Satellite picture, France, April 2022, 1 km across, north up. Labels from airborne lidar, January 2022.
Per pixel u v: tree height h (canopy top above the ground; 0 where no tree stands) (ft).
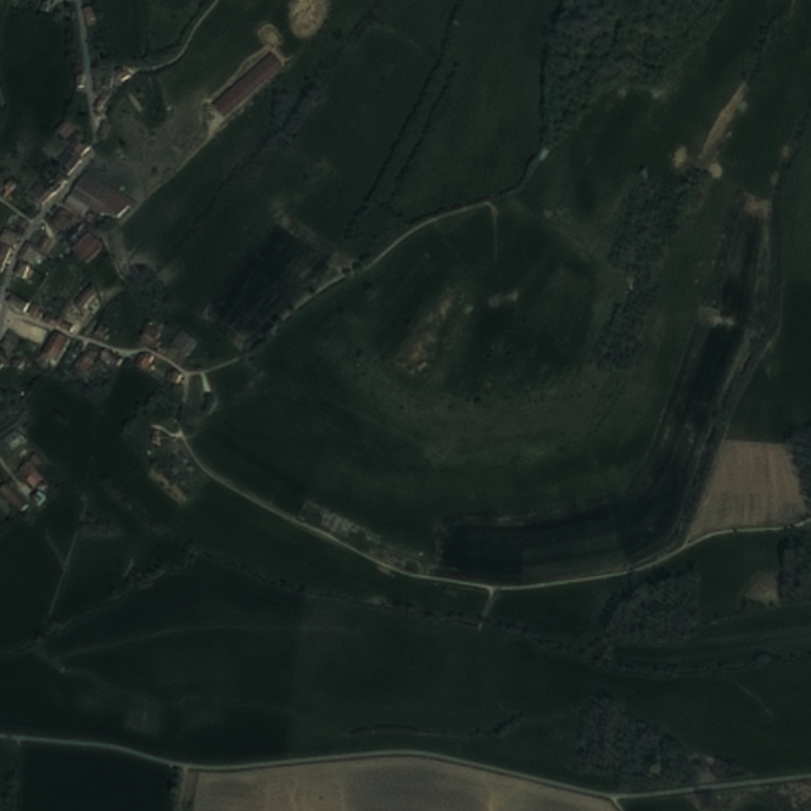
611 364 46
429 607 0
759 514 0
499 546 0
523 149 0
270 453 0
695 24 79
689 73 0
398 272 0
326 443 0
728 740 0
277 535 0
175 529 0
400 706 0
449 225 0
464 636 0
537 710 0
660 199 19
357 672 0
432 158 0
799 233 0
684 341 0
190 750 0
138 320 0
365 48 0
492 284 0
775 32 32
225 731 0
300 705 0
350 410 0
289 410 0
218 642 0
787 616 0
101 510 0
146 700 0
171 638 0
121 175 0
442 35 0
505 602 0
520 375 0
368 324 0
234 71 0
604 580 0
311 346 0
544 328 0
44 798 0
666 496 0
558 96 60
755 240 0
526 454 0
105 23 21
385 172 19
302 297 0
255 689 0
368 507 0
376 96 0
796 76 0
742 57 0
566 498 0
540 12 0
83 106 0
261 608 0
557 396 0
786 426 0
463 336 0
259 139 0
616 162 0
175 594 0
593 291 0
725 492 0
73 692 0
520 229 0
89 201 0
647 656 0
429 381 0
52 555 0
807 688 0
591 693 0
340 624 0
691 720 0
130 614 0
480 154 0
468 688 0
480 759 0
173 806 0
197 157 0
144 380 0
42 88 0
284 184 0
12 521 26
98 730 0
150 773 0
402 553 0
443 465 0
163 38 0
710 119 0
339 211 0
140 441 0
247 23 0
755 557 0
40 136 0
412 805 0
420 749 0
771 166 0
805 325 0
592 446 0
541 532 0
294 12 0
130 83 27
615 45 28
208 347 0
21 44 0
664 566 0
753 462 0
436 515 0
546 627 0
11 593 0
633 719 34
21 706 0
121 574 0
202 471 0
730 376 0
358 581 0
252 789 0
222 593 0
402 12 0
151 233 0
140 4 0
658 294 46
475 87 0
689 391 0
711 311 0
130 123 0
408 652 0
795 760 0
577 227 0
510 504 0
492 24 0
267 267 0
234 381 0
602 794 0
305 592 40
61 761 0
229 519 0
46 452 0
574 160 0
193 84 0
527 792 0
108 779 0
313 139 0
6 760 0
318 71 0
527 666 0
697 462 0
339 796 0
